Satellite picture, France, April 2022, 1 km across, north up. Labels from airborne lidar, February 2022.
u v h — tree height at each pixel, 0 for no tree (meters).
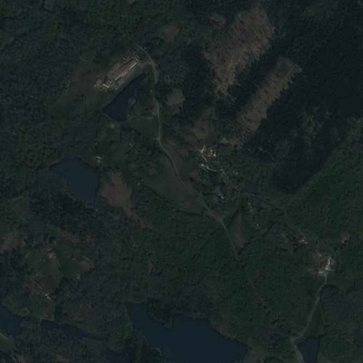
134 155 15
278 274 18
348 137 17
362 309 26
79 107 23
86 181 0
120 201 0
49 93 22
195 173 0
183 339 0
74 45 19
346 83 21
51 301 19
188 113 19
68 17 17
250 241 9
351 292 18
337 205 13
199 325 0
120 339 17
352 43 20
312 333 0
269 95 24
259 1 22
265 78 18
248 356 0
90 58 18
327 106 20
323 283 0
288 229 22
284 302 22
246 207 8
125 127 0
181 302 12
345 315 21
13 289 17
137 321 0
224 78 0
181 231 19
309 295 19
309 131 20
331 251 0
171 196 0
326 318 16
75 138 11
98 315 19
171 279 15
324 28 33
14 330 0
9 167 20
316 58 18
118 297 19
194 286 14
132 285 24
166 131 20
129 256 18
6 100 23
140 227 6
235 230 0
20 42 20
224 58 0
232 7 29
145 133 0
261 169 28
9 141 20
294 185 14
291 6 24
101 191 17
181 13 11
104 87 0
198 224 17
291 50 27
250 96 18
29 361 22
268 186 28
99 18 19
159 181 0
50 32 19
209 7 25
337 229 16
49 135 17
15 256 23
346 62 18
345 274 13
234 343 0
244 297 15
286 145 15
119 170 17
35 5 23
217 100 20
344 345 19
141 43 12
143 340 13
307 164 13
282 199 28
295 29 14
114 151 0
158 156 0
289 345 17
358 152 23
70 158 0
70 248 0
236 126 20
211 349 0
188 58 21
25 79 19
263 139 16
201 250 15
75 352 22
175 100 0
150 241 16
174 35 0
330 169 23
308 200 14
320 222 15
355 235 21
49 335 23
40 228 24
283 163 20
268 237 19
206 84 26
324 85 19
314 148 15
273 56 21
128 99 10
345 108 18
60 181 25
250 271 19
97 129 20
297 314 18
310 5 15
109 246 23
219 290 24
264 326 10
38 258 0
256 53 0
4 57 19
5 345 0
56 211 7
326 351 18
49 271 0
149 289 25
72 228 18
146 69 0
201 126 0
